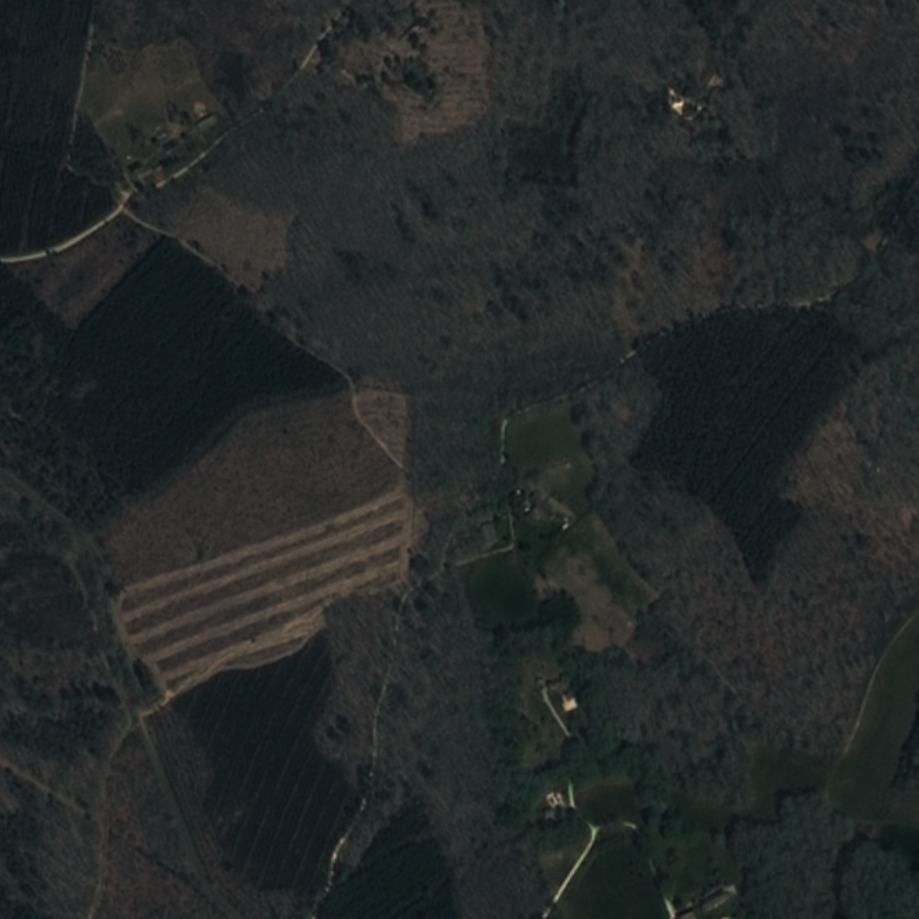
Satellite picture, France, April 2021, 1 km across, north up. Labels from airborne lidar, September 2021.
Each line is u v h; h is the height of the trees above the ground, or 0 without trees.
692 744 27
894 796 0
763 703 7
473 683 18
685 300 18
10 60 10
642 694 18
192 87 0
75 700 18
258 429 6
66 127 6
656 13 19
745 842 24
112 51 6
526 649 20
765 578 12
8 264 8
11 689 18
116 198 19
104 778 16
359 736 12
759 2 19
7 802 17
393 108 15
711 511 18
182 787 6
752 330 19
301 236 19
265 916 7
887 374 25
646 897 0
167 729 7
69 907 15
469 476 25
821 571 8
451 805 18
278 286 11
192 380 10
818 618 7
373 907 8
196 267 11
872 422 20
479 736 19
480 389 18
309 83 15
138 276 11
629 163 17
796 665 7
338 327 16
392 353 18
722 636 6
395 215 17
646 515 19
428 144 20
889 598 7
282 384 12
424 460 22
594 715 24
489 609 0
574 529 0
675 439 18
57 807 21
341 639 14
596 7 14
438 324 18
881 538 17
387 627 12
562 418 0
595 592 0
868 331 24
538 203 20
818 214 18
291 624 0
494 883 13
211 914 7
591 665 20
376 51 19
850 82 18
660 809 21
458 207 18
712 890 9
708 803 15
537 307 16
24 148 8
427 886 12
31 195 8
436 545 19
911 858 0
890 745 0
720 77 11
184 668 0
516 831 23
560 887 0
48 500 23
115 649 17
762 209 12
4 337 19
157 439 11
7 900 20
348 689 9
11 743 23
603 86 16
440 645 17
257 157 18
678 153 15
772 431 18
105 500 24
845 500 8
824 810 22
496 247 17
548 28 15
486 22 13
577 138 17
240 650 0
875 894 29
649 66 16
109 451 12
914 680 0
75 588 16
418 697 18
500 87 18
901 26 14
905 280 25
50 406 11
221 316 10
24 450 20
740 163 8
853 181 10
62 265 7
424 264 17
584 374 17
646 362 16
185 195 11
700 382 18
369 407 0
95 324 10
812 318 17
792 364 16
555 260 20
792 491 19
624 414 18
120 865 9
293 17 13
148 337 12
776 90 12
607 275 27
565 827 20
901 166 13
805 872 28
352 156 20
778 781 0
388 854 14
